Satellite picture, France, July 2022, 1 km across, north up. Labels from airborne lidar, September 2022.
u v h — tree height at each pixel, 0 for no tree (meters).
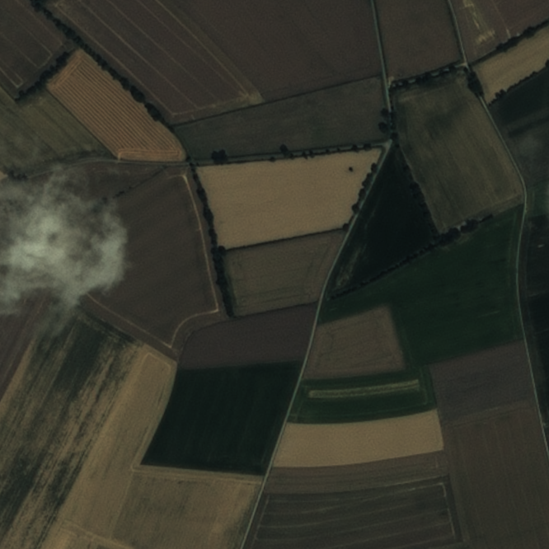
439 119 0
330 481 0
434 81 15
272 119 0
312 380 0
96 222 0
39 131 0
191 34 0
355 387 0
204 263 0
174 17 0
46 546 0
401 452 0
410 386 0
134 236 0
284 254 0
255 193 0
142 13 0
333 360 0
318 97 0
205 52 0
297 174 0
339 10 0
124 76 0
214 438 0
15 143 0
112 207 0
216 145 0
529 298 0
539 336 0
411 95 0
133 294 0
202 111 0
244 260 0
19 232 0
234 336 0
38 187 0
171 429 0
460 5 0
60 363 0
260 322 0
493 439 0
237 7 0
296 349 0
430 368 0
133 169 0
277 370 0
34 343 0
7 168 0
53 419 0
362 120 0
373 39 0
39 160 0
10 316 0
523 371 0
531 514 0
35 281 0
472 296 0
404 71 0
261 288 0
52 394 0
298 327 0
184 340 0
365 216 0
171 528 0
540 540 0
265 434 0
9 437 0
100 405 0
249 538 0
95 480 0
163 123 8
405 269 0
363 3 0
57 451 0
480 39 0
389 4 0
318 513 0
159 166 0
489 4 0
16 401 0
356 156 0
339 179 0
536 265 0
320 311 0
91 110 0
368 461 0
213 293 0
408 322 0
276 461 0
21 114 0
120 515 0
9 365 0
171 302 0
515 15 0
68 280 0
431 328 0
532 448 0
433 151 0
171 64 0
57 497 0
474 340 0
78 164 0
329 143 0
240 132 0
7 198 6
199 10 0
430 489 0
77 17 0
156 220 0
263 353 0
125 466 0
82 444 0
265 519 0
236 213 0
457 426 0
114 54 0
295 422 0
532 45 0
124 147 0
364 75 0
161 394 0
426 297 0
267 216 0
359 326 0
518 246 0
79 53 0
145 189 0
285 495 0
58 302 0
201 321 0
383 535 0
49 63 0
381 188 0
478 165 0
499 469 0
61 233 7
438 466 0
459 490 0
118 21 0
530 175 0
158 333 0
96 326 0
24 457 0
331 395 0
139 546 0
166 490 0
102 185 0
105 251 0
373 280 7
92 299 0
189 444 0
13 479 0
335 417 0
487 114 0
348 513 0
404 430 0
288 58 0
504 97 12
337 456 0
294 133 0
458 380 0
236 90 0
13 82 0
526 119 0
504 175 0
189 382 0
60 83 0
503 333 0
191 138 0
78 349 0
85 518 0
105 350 0
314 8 0
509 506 0
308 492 0
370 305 0
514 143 0
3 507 0
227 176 0
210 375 0
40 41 0
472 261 0
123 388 0
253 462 0
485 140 0
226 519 0
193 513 0
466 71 11
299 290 0
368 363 0
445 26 0
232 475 0
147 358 0
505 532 0
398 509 0
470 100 0
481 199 0
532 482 0
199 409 0
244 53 0
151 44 0
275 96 0
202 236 0
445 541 0
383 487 0
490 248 0
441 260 0
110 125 0
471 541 0
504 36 0
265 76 0
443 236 13
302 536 0
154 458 0
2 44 0
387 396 0
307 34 0
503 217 0
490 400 0
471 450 0
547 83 0
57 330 0
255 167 0
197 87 0
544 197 0
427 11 0
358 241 0
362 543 0
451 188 0
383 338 0
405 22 0
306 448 0
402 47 0
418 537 0
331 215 0
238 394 0
